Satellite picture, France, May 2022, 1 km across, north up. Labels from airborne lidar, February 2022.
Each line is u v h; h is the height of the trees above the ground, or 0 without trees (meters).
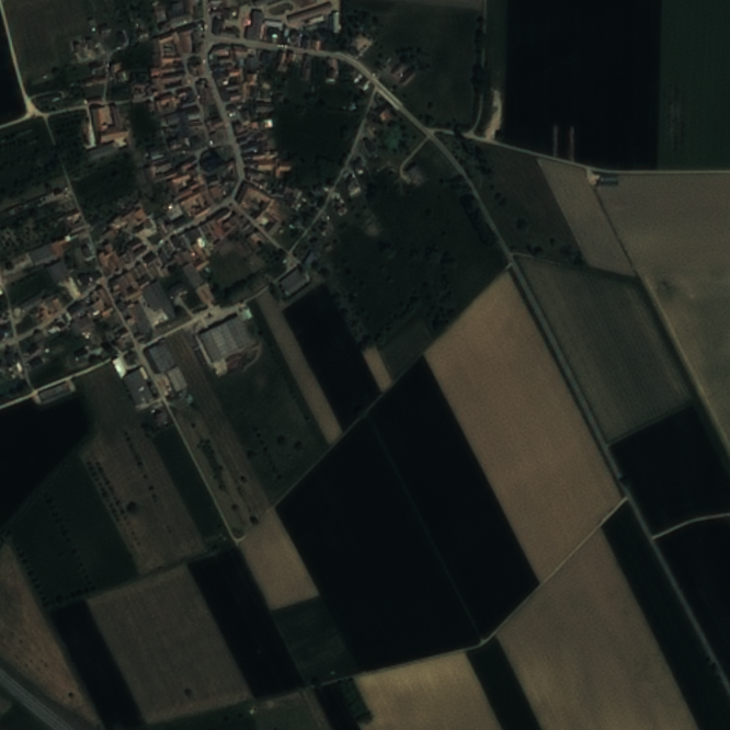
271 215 0
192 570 0
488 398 0
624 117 0
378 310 0
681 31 0
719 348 0
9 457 0
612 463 0
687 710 0
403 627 0
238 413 0
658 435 0
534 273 0
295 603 0
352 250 0
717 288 0
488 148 0
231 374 0
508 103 0
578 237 0
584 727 0
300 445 7
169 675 0
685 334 0
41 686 0
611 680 0
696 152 0
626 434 0
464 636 0
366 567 0
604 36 0
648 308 0
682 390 0
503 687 0
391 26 0
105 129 0
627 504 0
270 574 0
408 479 0
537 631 0
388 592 0
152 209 0
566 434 0
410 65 8
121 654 0
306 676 0
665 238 0
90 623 0
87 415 0
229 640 0
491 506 0
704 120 0
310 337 0
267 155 0
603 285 0
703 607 0
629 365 0
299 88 0
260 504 0
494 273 0
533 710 0
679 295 0
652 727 0
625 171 0
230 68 0
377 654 0
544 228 0
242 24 0
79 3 0
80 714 0
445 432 0
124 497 0
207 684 0
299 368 0
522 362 0
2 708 0
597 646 0
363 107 13
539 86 0
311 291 0
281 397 0
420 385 0
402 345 0
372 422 0
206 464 0
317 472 0
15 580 0
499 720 0
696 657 0
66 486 0
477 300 0
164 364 0
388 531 0
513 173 0
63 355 0
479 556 0
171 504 0
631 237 0
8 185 0
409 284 0
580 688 0
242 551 0
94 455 0
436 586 0
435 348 0
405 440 0
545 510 0
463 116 0
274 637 0
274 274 0
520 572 0
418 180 0
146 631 0
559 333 0
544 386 0
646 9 0
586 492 0
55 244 0
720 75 0
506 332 0
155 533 0
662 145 0
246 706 0
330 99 0
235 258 0
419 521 0
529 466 0
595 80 0
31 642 0
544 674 0
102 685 0
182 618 0
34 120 0
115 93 10
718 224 0
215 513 0
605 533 0
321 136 0
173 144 0
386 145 8
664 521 0
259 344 0
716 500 0
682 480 0
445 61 0
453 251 0
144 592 0
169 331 0
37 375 0
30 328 0
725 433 0
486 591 0
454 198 0
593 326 0
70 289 0
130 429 0
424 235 0
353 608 0
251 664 0
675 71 0
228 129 0
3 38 0
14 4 0
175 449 0
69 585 0
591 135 0
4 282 0
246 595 0
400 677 0
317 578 0
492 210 0
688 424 0
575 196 0
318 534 0
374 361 0
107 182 0
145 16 6
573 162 0
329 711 0
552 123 0
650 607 0
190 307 0
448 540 0
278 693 0
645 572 0
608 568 0
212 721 0
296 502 0
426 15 0
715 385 0
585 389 0
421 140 0
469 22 0
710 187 0
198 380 0
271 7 0
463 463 0
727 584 0
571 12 0
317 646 0
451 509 0
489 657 0
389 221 0
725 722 0
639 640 0
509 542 0
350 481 0
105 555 0
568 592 0
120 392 0
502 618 0
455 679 0
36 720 0
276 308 0
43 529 0
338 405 0
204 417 0
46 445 0
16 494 0
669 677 0
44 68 0
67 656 0
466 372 0
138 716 0
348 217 0
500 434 0
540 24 0
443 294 0
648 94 0
